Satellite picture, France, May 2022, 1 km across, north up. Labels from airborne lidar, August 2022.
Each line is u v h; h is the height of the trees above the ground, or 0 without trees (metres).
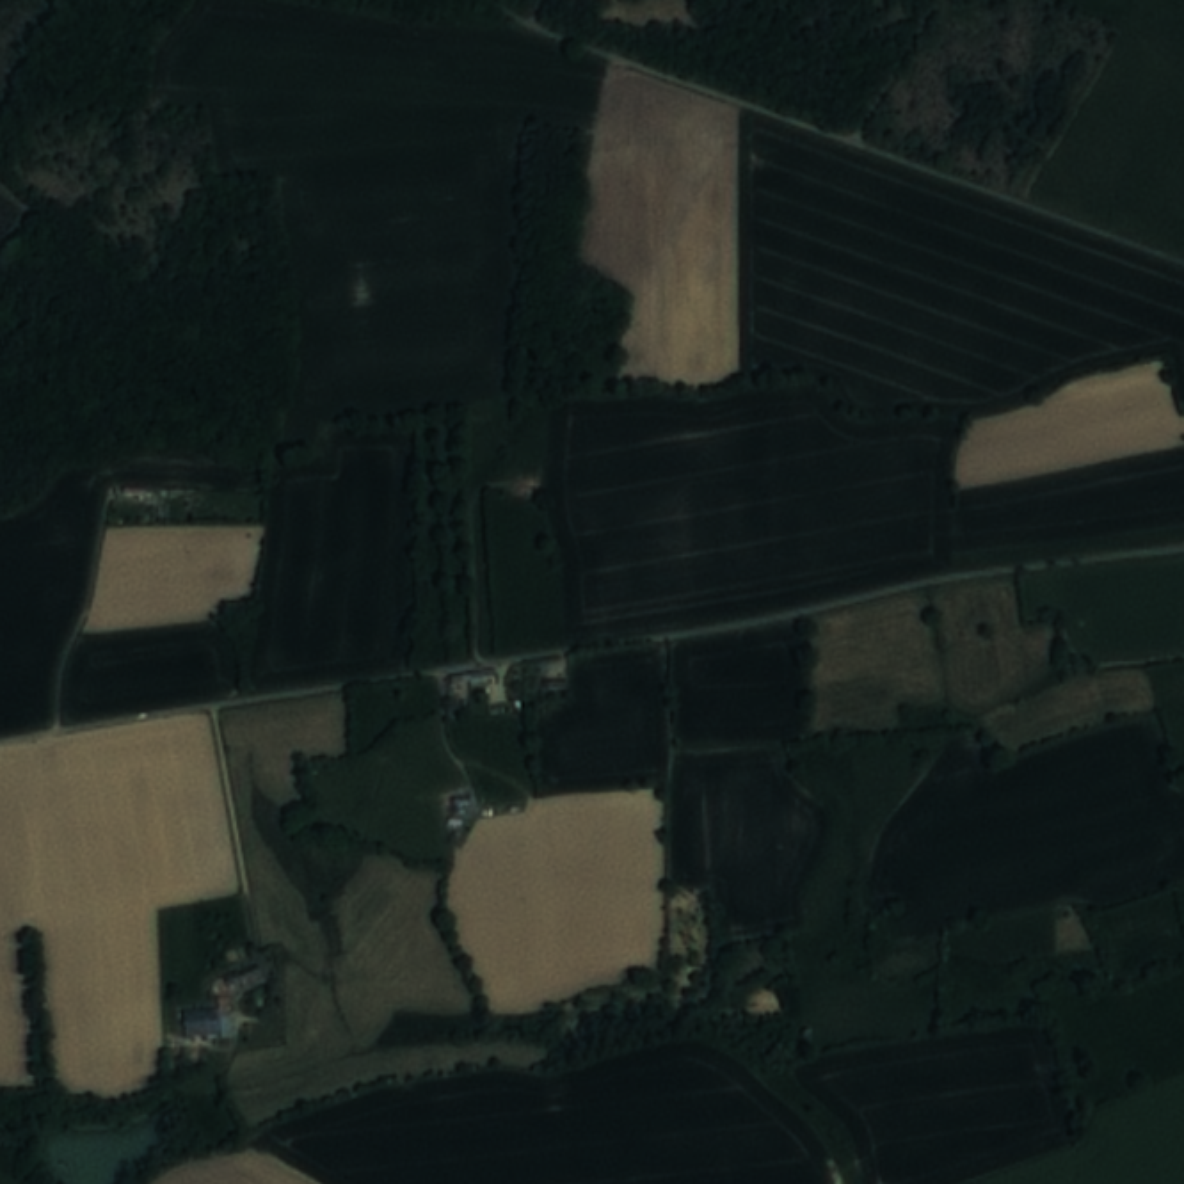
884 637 0
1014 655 0
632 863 0
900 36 11
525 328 19
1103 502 0
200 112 8
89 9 15
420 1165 0
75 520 0
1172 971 8
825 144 0
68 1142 0
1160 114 0
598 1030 24
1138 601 0
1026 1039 0
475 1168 0
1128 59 0
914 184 0
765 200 0
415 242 0
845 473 0
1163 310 0
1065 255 0
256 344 22
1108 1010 0
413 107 0
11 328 19
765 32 15
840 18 16
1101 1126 0
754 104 13
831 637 0
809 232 0
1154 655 0
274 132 0
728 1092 0
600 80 0
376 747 7
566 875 0
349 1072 0
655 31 12
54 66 15
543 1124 0
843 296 0
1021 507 0
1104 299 0
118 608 0
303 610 0
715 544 0
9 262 20
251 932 0
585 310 19
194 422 21
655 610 0
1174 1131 0
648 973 12
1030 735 0
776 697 0
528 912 0
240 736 0
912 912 0
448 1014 0
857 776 0
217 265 6
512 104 0
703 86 9
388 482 0
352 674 0
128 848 0
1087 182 0
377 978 0
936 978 8
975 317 0
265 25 0
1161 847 0
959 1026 7
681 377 0
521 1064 0
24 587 0
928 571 0
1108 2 0
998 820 0
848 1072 0
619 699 0
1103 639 0
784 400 0
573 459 0
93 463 18
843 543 0
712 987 8
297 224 0
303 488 0
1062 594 0
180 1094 8
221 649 0
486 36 0
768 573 0
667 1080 0
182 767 0
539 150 14
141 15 13
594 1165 0
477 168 0
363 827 0
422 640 18
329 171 0
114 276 14
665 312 0
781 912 0
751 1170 0
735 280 0
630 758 0
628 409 0
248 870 0
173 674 0
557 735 0
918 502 0
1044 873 0
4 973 0
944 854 0
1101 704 0
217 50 0
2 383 22
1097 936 9
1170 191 0
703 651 0
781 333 0
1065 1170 0
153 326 20
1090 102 0
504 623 0
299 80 0
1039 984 8
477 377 0
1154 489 0
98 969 0
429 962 0
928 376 0
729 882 0
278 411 21
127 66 14
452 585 15
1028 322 0
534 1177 0
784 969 7
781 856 0
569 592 0
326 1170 0
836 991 0
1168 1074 0
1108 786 0
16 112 17
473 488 0
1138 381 0
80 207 8
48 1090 17
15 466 20
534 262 16
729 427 0
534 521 0
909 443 0
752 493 0
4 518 10
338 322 0
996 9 10
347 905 0
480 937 0
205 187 7
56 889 0
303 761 17
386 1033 0
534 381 19
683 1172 0
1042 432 0
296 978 0
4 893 0
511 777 0
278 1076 0
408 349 0
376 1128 0
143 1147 0
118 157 9
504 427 0
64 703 0
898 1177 0
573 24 14
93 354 21
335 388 0
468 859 0
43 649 0
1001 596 0
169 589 0
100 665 0
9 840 0
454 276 0
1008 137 10
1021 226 0
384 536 0
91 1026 0
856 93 15
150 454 17
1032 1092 0
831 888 0
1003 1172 0
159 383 20
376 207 0
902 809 0
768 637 0
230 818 0
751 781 0
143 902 0
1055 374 0
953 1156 0
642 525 0
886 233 0
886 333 0
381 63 0
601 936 0
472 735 0
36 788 0
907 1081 0
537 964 0
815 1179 0
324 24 0
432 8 17
